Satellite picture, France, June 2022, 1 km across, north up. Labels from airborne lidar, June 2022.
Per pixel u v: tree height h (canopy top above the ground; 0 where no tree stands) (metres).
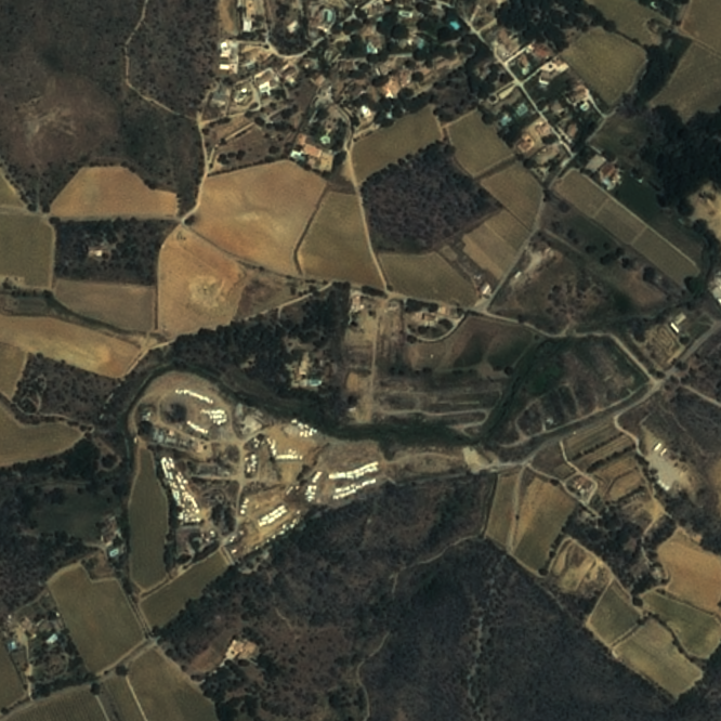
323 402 10
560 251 0
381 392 0
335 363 9
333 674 9
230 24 0
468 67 12
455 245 0
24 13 0
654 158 10
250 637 11
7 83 0
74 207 0
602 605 0
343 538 0
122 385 7
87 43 0
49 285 0
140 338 0
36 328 0
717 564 0
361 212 0
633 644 0
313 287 7
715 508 0
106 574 0
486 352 0
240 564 8
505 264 0
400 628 12
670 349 0
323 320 12
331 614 9
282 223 0
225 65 0
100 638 0
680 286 0
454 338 0
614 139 0
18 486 9
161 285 0
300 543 7
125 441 14
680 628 0
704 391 0
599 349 0
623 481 0
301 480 7
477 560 13
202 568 0
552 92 0
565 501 0
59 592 0
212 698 9
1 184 0
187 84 0
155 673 0
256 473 0
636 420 0
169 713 0
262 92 0
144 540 0
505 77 13
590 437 0
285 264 0
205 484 7
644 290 0
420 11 12
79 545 11
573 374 0
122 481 14
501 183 0
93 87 0
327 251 0
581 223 0
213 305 0
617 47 0
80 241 8
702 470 0
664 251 0
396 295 0
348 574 13
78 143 0
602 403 0
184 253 0
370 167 0
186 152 0
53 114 0
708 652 0
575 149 12
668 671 0
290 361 10
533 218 0
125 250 8
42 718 0
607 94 0
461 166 0
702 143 17
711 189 0
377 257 0
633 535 13
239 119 0
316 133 7
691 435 0
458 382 0
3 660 0
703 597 0
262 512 0
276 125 9
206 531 0
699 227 17
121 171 0
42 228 0
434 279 0
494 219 0
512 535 0
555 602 7
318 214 0
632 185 0
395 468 0
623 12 0
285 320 7
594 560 0
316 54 7
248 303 0
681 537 0
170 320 0
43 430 0
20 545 13
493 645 9
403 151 0
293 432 0
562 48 11
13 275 0
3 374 0
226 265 0
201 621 13
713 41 0
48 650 7
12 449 0
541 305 0
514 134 12
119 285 0
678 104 0
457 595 9
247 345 11
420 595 11
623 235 0
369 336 0
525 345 0
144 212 0
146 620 0
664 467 0
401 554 12
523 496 0
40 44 0
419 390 0
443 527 13
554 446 0
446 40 15
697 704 7
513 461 0
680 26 8
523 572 7
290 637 0
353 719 11
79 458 11
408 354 0
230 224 0
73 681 10
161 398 0
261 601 6
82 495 13
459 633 6
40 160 0
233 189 0
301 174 0
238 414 0
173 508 9
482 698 6
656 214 0
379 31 9
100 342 0
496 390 0
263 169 0
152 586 0
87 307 0
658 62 15
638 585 5
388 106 15
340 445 0
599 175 11
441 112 12
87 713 0
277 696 9
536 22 9
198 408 0
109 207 0
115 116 0
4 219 0
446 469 0
